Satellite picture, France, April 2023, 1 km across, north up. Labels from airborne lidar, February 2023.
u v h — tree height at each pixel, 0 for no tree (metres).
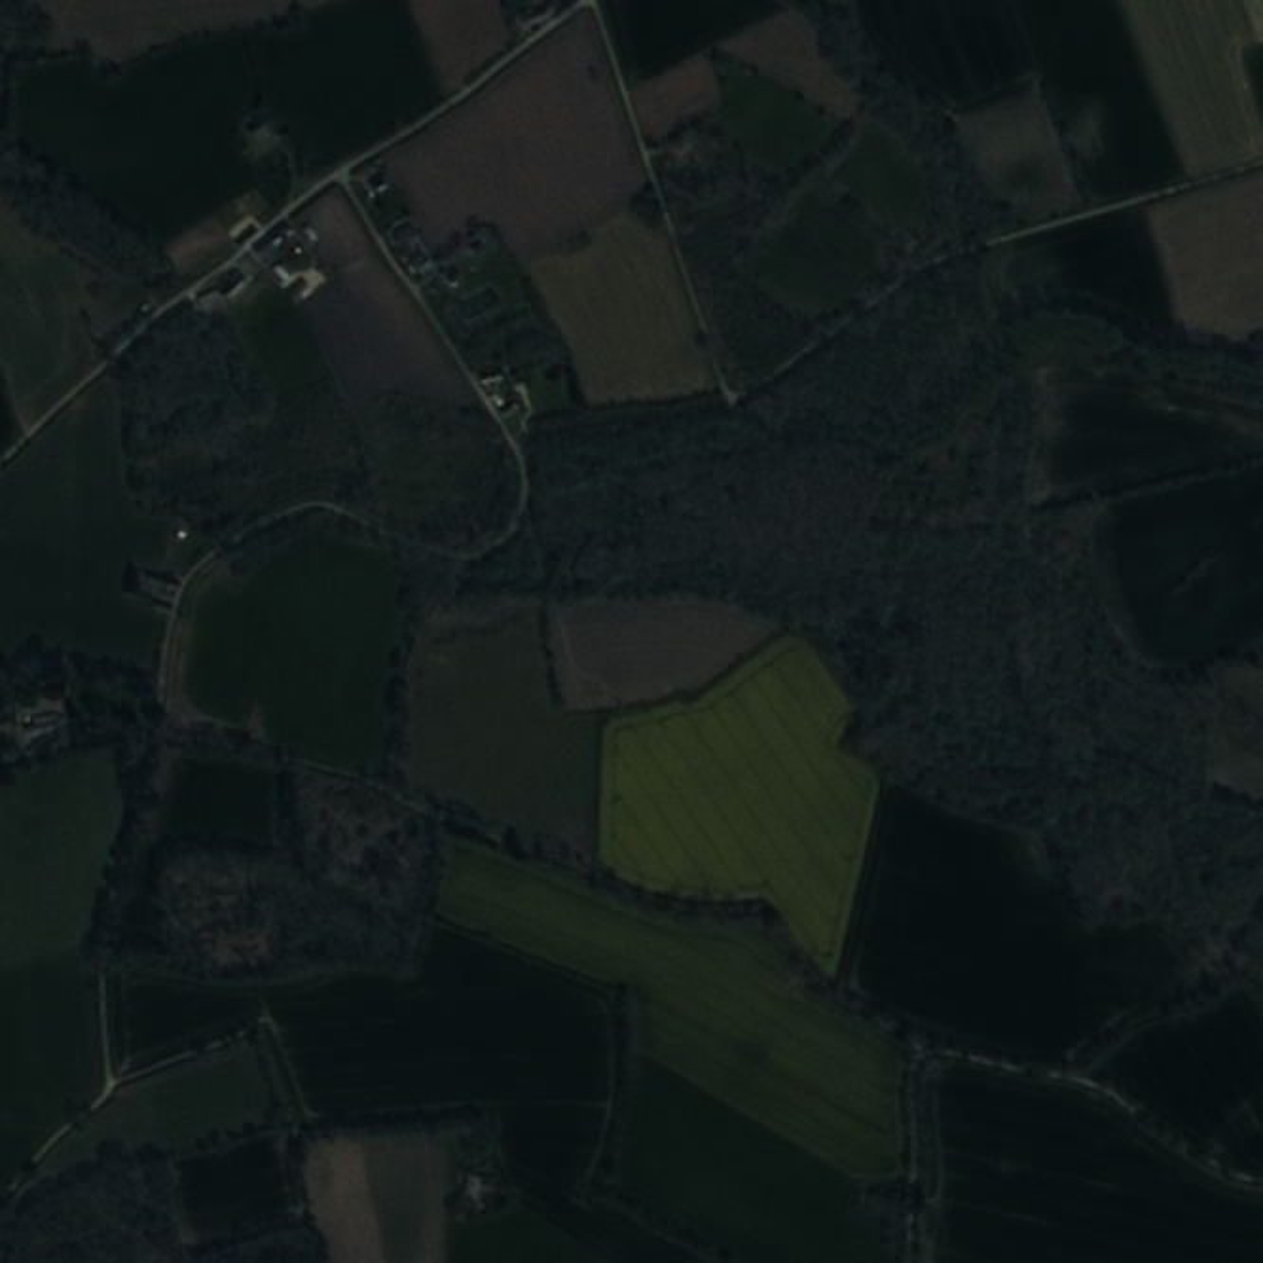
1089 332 20
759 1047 0
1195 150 0
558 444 7
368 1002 0
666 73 0
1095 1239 0
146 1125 0
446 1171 0
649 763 0
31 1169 9
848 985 0
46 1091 0
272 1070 11
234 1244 14
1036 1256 0
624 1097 15
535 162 0
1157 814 16
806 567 20
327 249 0
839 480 28
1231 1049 0
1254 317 0
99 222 29
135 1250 20
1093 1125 0
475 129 0
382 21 0
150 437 16
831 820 0
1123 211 0
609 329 0
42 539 0
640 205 8
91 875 0
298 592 0
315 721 0
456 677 0
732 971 0
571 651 0
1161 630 0
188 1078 0
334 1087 0
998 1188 0
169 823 0
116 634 0
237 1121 0
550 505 10
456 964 0
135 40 0
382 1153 0
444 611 19
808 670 0
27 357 0
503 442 8
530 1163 0
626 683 0
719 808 0
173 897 17
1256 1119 0
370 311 0
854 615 12
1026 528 9
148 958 17
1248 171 6
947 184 16
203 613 0
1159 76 0
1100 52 0
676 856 0
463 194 0
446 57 0
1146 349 33
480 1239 0
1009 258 0
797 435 13
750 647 0
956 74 0
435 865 16
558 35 0
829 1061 0
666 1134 0
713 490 20
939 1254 0
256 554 16
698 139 15
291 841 19
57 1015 0
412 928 16
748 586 13
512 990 0
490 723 0
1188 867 17
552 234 0
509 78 0
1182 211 0
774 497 31
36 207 28
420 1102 0
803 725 0
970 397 25
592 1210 0
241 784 0
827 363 9
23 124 0
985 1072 0
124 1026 0
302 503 0
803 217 0
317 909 16
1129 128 0
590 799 0
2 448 0
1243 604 0
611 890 17
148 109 0
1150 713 10
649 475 17
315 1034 0
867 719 16
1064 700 10
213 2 0
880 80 16
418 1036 0
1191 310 0
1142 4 0
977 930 0
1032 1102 0
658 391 0
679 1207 0
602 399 0
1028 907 0
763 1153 0
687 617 0
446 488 0
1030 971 0
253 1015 0
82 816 0
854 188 0
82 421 0
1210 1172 13
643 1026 0
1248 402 13
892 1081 0
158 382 16
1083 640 11
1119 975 0
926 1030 0
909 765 13
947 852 0
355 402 0
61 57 7
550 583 13
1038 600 16
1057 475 0
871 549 14
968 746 9
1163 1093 0
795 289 0
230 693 0
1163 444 0
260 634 0
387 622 0
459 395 0
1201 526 0
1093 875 24
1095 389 0
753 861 0
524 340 7
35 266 0
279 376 0
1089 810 17
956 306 29
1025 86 0
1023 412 11
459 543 19
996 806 9
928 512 8
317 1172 0
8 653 0
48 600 0
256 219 0
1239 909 19
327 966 18
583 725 0
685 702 0
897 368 9
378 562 0
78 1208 21
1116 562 0
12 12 15
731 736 0
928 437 33
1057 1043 0
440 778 0
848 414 13
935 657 14
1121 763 15
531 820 0
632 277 0
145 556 0
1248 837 16
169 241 0
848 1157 0
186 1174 0
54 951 0
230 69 0
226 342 20
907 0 0
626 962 0
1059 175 0
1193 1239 0
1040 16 0
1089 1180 0
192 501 7
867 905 0
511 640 0
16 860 0
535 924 0
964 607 12
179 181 0
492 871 0
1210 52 0
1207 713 16
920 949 0
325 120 0
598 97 0
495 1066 0
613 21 0
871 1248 0
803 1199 0
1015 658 18
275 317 0
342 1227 0
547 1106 0
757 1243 0
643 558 18
